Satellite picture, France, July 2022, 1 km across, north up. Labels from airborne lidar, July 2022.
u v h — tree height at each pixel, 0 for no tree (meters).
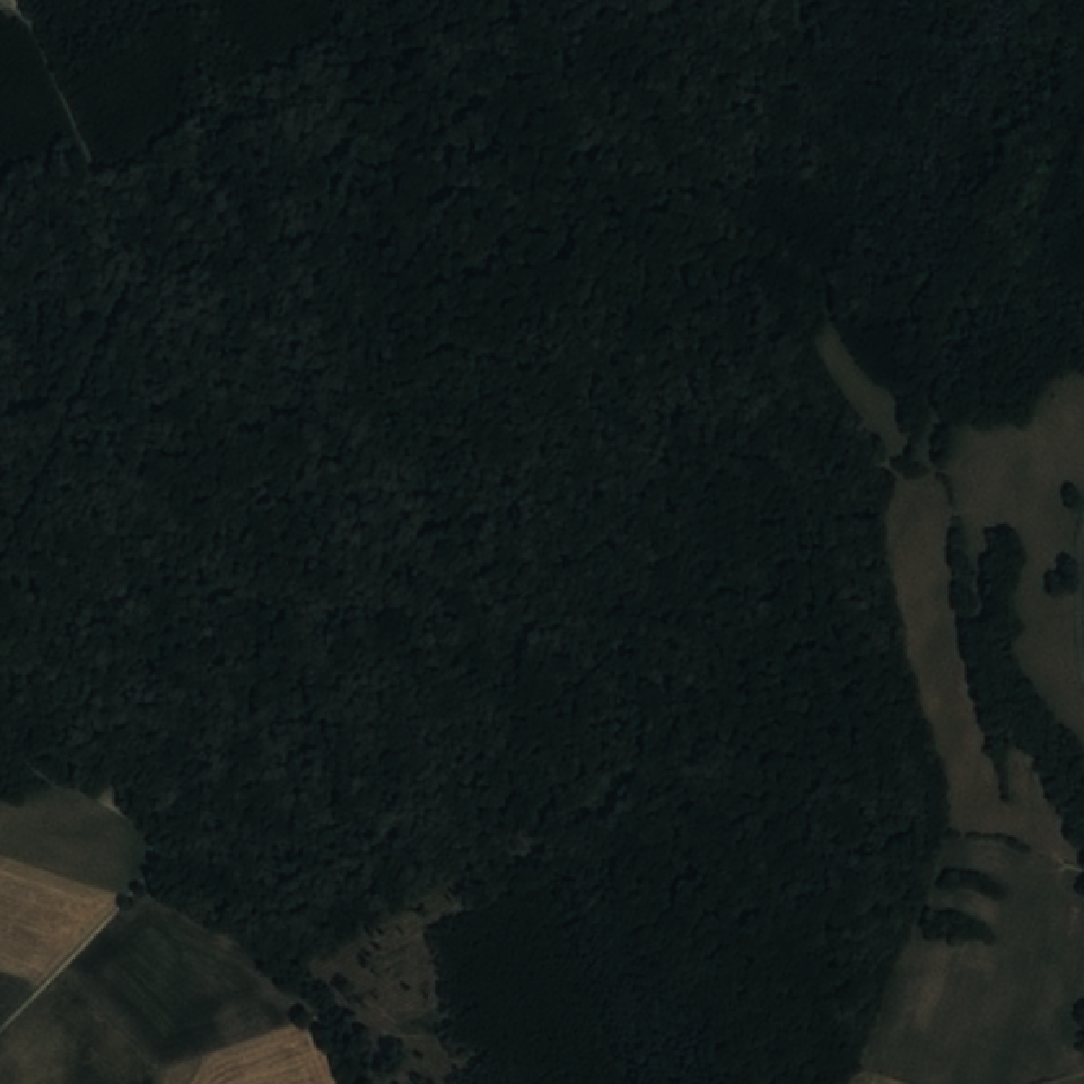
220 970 0
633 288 23
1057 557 0
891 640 22
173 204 27
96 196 25
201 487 25
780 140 29
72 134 14
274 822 24
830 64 26
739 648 23
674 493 22
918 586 0
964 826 0
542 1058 16
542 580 20
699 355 24
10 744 23
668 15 26
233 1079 0
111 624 29
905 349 30
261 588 26
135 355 27
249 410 25
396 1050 24
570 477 25
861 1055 9
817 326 22
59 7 19
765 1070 23
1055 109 26
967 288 24
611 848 25
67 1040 0
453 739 27
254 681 23
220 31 16
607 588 24
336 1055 17
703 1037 23
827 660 25
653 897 24
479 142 22
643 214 30
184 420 27
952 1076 0
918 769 24
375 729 25
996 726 21
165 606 23
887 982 15
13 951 0
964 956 0
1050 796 14
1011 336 28
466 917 13
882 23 24
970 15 22
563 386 26
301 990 15
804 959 24
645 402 23
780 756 26
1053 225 26
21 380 26
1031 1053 0
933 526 0
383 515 26
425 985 0
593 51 28
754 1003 30
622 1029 23
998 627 26
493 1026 16
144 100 10
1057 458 0
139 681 25
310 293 28
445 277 27
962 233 29
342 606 24
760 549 23
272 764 25
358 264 25
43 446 21
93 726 25
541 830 23
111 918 0
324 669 26
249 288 26
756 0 24
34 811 0
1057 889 0
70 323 31
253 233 28
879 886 29
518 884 28
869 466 22
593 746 24
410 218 26
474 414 26
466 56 26
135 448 26
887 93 26
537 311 17
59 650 24
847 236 15
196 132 27
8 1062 0
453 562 27
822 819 27
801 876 27
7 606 27
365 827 27
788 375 26
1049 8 27
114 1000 0
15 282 25
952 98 21
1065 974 0
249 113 10
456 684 23
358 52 29
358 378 29
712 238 28
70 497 25
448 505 25
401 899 25
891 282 23
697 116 24
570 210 25
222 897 25
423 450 25
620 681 27
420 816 24
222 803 24
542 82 27
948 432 15
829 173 16
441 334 29
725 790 23
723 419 23
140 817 18
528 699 28
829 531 28
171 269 21
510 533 25
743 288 21
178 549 24
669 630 25
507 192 27
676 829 23
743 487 28
